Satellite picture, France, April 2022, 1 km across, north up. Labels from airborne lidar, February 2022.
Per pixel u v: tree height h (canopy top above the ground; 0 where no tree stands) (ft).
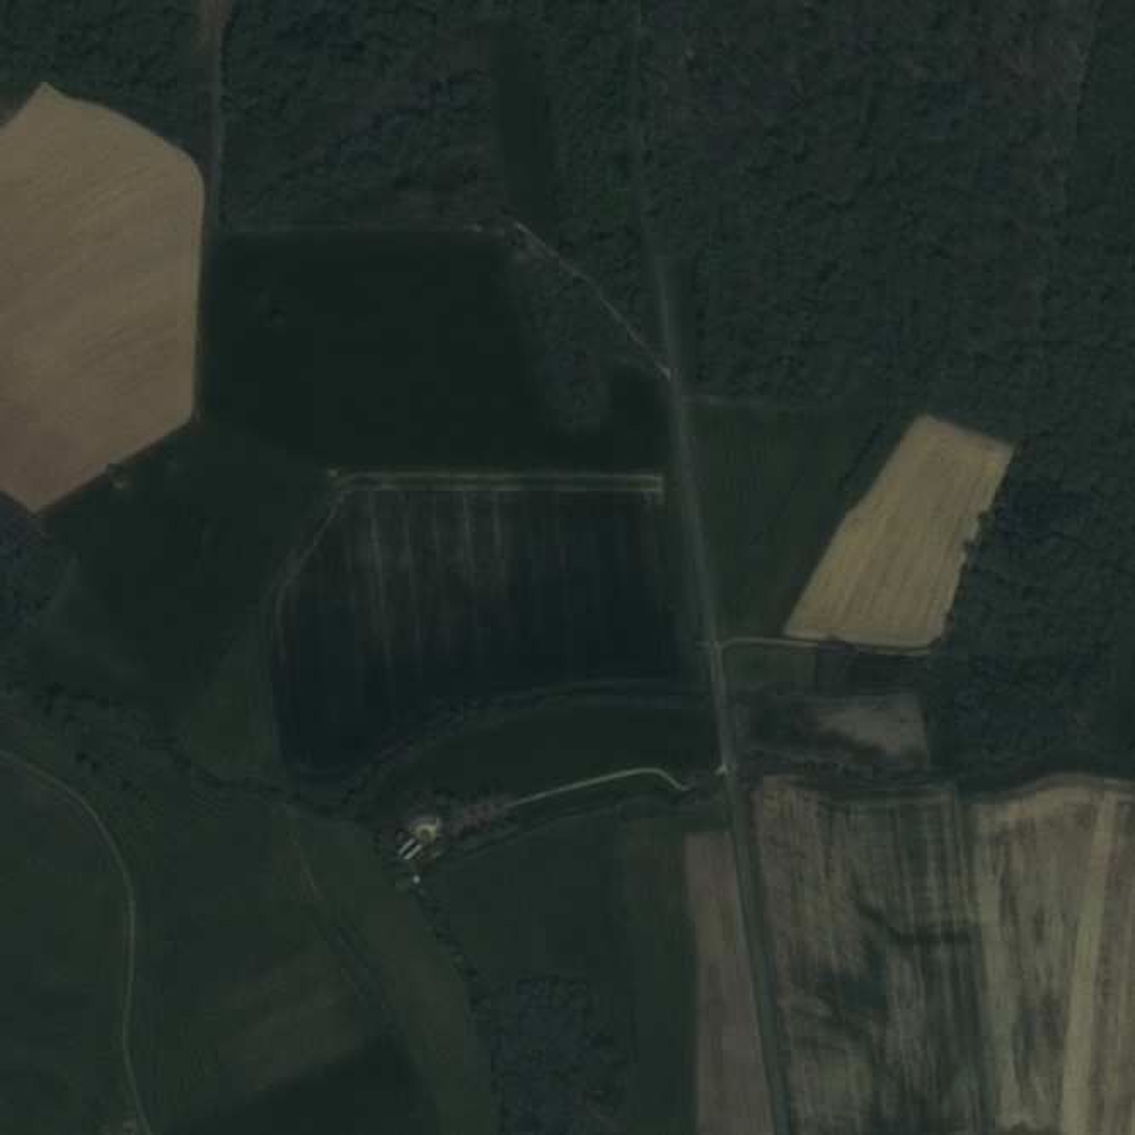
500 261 0
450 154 81
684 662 0
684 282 0
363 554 0
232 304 0
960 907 0
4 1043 0
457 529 0
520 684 0
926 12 96
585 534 0
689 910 0
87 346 0
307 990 0
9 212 0
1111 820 0
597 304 60
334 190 68
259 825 0
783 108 104
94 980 0
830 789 0
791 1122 0
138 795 21
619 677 0
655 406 0
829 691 52
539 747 0
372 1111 0
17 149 0
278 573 0
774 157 78
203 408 0
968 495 0
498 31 0
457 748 0
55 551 51
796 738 0
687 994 0
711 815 0
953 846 0
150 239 0
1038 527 79
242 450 0
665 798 28
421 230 0
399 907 0
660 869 0
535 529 0
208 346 0
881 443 43
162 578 0
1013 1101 0
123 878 0
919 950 0
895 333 77
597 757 0
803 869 0
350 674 0
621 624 0
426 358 0
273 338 0
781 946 0
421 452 0
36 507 0
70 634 0
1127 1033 0
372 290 0
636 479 0
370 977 0
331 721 0
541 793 0
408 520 0
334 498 0
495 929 0
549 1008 62
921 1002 0
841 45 102
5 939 0
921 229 81
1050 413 78
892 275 93
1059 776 0
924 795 0
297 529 0
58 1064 0
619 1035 0
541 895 0
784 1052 0
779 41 85
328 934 0
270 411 0
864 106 88
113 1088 0
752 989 0
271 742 0
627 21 88
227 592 0
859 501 27
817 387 81
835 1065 0
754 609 0
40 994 0
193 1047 0
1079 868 0
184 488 0
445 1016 0
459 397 0
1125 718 0
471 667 0
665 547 0
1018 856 0
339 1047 0
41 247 0
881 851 0
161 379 0
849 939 0
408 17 86
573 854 0
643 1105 0
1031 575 82
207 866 0
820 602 0
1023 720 70
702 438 0
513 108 0
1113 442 81
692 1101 0
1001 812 0
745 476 0
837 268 40
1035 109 97
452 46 0
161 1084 0
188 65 43
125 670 0
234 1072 0
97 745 0
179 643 0
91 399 0
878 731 0
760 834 0
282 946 0
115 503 0
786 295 86
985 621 72
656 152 42
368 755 0
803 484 0
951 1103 0
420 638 0
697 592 0
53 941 0
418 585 0
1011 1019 0
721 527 0
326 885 0
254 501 0
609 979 0
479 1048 0
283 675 0
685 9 95
